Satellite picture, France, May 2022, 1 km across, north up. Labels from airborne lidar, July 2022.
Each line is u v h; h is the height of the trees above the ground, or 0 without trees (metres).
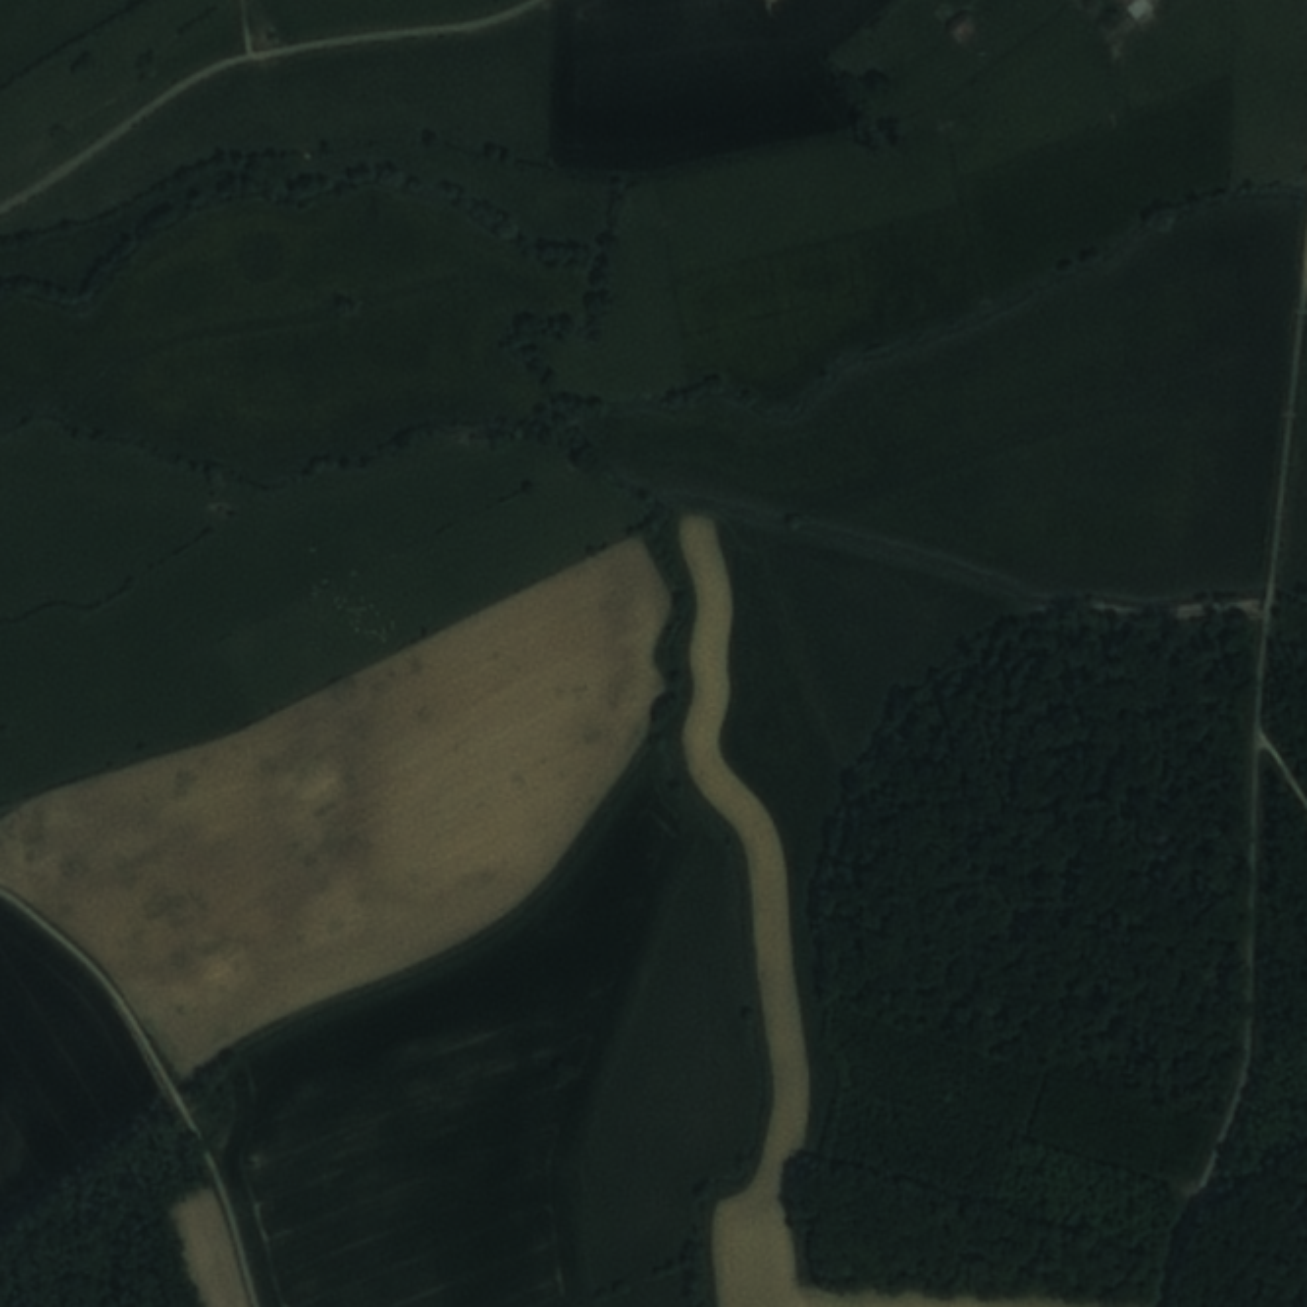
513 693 0
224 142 0
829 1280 17
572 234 0
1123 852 24
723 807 0
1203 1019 27
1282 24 0
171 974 0
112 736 0
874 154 30
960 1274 23
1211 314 0
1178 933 23
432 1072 0
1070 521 0
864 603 0
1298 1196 23
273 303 0
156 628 0
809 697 0
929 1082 7
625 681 0
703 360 0
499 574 0
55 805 0
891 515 0
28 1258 23
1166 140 0
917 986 24
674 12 0
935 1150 15
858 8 0
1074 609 20
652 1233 0
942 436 0
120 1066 0
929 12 0
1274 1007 18
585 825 0
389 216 0
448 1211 0
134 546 0
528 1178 0
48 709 0
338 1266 0
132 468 0
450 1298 0
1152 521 0
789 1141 0
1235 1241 26
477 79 0
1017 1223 24
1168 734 22
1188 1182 0
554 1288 0
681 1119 0
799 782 0
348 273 0
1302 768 12
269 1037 0
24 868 0
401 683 0
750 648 0
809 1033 0
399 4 0
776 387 0
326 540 0
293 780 0
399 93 0
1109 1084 12
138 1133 22
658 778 0
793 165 0
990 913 22
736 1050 0
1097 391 0
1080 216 0
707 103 0
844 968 26
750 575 0
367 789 0
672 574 7
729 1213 0
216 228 0
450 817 0
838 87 11
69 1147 0
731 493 0
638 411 0
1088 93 0
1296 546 0
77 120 0
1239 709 20
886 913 24
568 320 14
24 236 9
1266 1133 19
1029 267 0
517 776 0
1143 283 0
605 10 0
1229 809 26
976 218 0
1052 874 23
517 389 0
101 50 0
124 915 0
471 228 0
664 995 0
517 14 0
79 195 0
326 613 0
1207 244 0
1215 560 0
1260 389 0
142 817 0
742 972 0
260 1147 0
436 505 0
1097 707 28
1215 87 0
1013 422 0
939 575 0
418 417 0
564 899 0
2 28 0
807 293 0
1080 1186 16
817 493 0
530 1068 0
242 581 0
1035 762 26
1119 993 23
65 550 0
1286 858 22
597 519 0
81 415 0
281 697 0
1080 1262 25
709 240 0
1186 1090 23
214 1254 0
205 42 0
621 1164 0
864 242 0
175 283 0
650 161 0
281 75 0
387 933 0
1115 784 27
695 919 0
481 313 0
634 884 0
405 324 0
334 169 0
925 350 0
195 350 0
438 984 0
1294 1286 25
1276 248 0
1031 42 0
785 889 0
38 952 0
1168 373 0
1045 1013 28
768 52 0
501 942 0
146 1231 30
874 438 0
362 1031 0
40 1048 0
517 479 0
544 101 0
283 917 0
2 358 0
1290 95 0
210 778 0
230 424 0
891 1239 25
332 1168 0
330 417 0
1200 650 24
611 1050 0
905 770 26
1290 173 0
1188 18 0
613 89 0
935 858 23
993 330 0
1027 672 18
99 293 12
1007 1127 9
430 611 0
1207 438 0
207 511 0
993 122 0
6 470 0
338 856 0
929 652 0
